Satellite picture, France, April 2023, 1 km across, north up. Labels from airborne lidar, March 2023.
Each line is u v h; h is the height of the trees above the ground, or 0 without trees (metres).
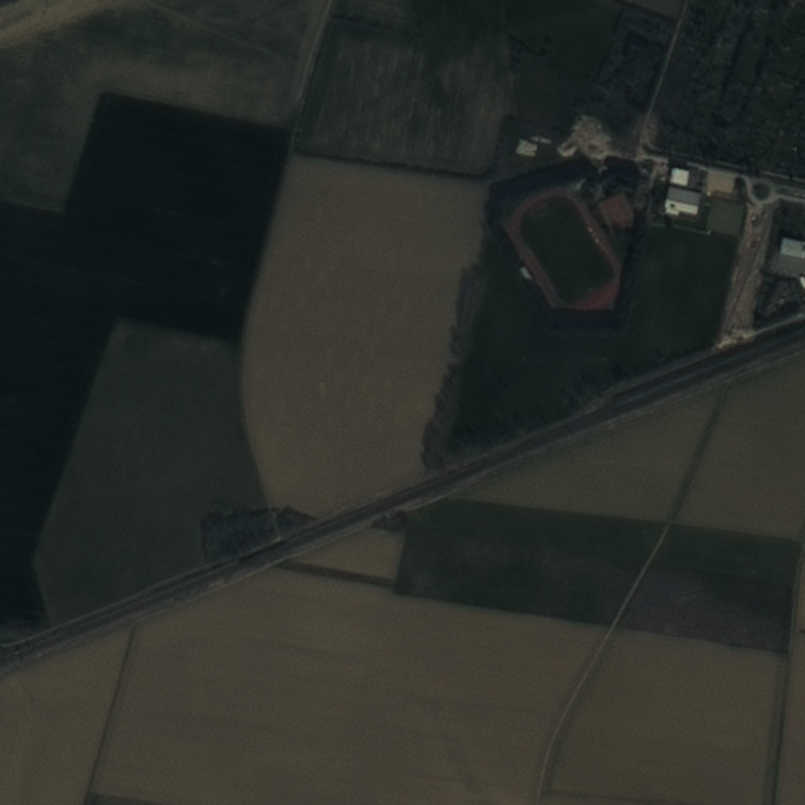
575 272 0
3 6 0
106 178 0
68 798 0
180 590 0
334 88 0
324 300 0
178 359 0
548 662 0
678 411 0
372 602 0
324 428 0
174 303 0
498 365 0
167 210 0
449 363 0
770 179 0
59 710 0
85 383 0
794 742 0
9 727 0
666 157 8
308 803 0
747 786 0
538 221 0
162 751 0
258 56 0
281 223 0
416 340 0
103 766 0
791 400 0
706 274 0
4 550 0
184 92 0
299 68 0
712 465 0
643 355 0
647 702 0
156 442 0
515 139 0
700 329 0
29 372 0
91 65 0
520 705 0
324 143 0
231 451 0
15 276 0
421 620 0
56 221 0
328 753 0
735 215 0
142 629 0
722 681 0
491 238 0
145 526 0
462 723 0
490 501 0
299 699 0
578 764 0
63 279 0
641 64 10
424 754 0
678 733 0
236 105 0
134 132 0
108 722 0
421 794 0
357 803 0
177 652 0
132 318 0
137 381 0
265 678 0
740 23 14
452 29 0
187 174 0
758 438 0
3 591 0
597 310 0
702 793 0
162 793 0
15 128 0
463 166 0
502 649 0
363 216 0
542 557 0
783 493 0
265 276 0
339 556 0
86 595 0
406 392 0
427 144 0
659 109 0
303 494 0
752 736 0
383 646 0
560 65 0
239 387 0
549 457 0
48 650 0
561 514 0
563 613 0
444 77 0
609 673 0
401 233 0
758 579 0
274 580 0
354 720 0
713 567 0
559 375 0
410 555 0
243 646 0
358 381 0
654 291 0
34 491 0
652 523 0
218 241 0
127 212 0
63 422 0
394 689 0
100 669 0
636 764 0
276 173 0
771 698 0
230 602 0
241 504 0
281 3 0
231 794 0
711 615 0
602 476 0
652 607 0
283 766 0
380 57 0
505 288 0
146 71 0
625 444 0
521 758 0
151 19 0
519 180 0
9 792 0
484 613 0
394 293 0
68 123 0
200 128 0
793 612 0
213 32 0
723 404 0
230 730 0
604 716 0
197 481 0
